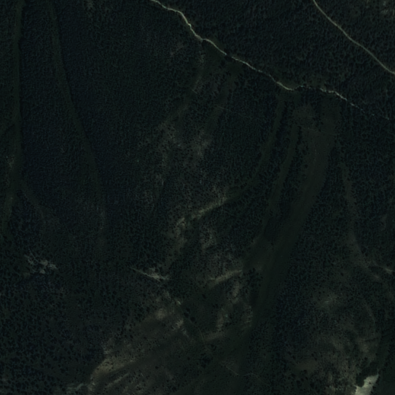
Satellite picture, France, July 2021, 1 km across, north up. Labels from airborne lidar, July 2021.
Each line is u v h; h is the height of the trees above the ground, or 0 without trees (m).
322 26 15
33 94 11
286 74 16
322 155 0
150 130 9
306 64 16
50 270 16
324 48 10
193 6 15
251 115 10
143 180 7
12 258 14
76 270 7
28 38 11
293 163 10
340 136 6
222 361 0
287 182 13
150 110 10
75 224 9
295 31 17
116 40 11
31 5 12
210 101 12
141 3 11
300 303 7
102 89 12
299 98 0
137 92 8
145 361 0
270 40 17
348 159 12
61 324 6
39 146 10
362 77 16
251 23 15
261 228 13
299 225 0
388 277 9
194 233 11
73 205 7
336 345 0
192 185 11
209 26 14
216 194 9
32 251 8
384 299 11
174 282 6
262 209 14
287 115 15
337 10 9
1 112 13
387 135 20
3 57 10
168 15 12
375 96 19
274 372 7
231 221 12
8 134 10
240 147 8
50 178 9
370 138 12
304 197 0
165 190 6
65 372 11
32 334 10
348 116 11
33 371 12
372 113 21
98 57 12
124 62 12
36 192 9
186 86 8
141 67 13
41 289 12
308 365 0
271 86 16
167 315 0
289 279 8
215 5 12
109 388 0
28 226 19
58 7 12
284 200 10
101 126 11
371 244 8
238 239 8
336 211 9
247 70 14
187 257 7
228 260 9
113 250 6
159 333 0
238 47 8
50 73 14
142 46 7
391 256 13
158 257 15
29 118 15
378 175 12
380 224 7
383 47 9
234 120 9
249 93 15
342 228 7
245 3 15
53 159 12
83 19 12
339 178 13
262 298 0
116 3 9
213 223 6
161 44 6
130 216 8
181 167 8
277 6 13
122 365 0
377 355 14
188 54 10
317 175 0
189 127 9
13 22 8
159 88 14
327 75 16
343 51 16
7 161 8
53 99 13
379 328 11
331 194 10
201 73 0
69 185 11
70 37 12
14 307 13
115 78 9
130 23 10
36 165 9
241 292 8
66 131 13
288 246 0
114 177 12
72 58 14
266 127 17
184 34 11
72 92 12
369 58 18
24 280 10
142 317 16
